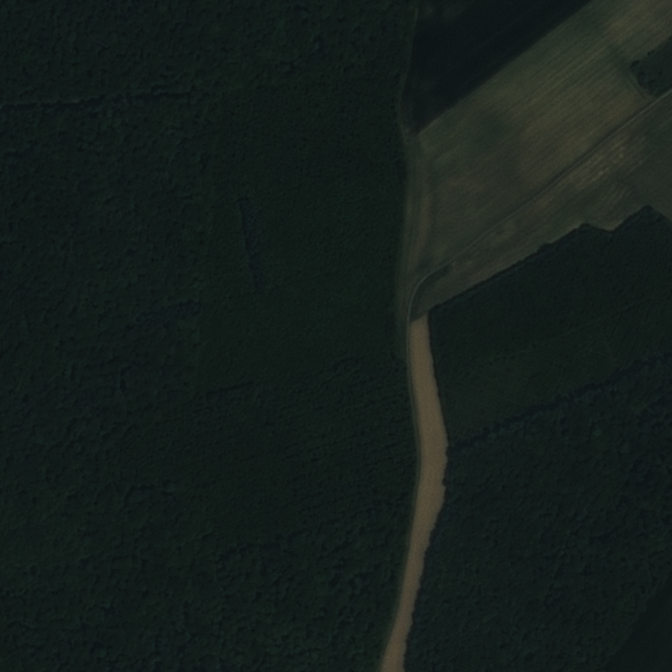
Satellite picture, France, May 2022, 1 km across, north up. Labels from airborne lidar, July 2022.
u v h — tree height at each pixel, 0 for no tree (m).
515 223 0
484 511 23
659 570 22
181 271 27
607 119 0
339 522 21
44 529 28
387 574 23
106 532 26
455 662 26
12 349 24
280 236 13
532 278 16
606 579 30
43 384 19
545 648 20
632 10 0
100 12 22
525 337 15
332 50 27
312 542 24
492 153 0
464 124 0
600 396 26
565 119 0
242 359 14
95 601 20
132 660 23
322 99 14
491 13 0
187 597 23
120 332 26
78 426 29
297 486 15
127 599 29
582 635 21
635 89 0
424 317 0
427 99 0
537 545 28
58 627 24
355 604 26
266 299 13
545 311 17
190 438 20
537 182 0
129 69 27
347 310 14
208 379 14
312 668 21
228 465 17
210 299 15
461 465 21
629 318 6
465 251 0
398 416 14
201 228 28
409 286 0
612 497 26
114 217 24
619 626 25
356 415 15
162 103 27
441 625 20
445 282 0
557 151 0
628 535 29
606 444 24
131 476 17
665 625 0
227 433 17
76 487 24
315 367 17
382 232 15
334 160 14
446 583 20
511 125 0
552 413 22
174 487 26
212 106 27
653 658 0
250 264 8
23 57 25
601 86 0
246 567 22
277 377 15
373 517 28
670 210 0
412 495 13
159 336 32
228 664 24
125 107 29
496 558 19
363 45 26
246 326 14
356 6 25
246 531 18
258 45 26
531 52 0
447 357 12
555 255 17
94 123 26
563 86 0
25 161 25
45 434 20
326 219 14
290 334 14
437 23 0
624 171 0
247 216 23
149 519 18
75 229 26
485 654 21
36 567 24
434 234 0
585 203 0
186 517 26
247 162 13
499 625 25
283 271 12
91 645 27
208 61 26
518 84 0
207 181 22
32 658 24
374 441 15
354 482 15
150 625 22
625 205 0
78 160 25
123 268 22
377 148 13
